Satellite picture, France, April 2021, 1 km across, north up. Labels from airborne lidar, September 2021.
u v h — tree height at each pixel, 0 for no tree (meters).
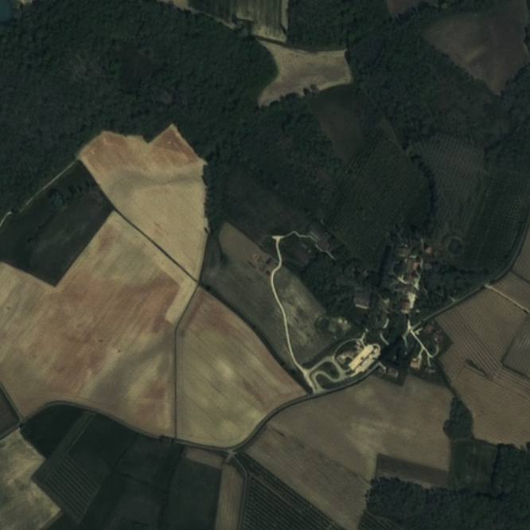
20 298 0
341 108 0
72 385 0
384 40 25
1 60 14
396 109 13
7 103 16
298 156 8
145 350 0
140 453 0
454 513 22
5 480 0
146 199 0
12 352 0
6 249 0
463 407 14
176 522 0
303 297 0
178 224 0
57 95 19
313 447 0
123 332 0
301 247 0
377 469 0
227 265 0
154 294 0
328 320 0
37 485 0
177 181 0
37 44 22
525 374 0
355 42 10
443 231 27
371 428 0
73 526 0
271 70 16
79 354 0
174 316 0
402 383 0
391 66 24
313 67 0
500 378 0
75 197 26
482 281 16
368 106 10
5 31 19
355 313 0
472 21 0
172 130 0
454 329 0
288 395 0
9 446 0
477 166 24
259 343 0
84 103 22
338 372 0
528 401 0
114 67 20
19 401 0
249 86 22
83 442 0
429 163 30
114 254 0
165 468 0
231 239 0
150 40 19
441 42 0
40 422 0
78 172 0
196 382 0
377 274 7
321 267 16
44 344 0
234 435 0
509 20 0
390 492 23
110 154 0
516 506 27
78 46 16
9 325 0
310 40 17
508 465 23
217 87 12
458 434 16
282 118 9
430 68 11
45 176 17
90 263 0
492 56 0
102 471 0
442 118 9
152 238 0
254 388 0
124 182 0
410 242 19
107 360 0
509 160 21
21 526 0
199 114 20
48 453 0
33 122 23
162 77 16
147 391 0
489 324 0
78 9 19
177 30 18
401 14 0
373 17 26
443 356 0
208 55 21
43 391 0
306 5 18
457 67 9
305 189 9
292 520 6
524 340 0
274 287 0
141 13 24
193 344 0
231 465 0
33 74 24
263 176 13
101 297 0
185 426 0
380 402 0
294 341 0
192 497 0
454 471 0
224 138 23
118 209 0
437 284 18
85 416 0
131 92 10
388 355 17
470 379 0
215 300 0
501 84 0
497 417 0
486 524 21
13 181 26
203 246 0
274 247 0
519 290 0
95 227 0
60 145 22
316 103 0
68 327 0
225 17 0
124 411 0
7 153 23
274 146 8
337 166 20
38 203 0
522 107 18
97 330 0
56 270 0
